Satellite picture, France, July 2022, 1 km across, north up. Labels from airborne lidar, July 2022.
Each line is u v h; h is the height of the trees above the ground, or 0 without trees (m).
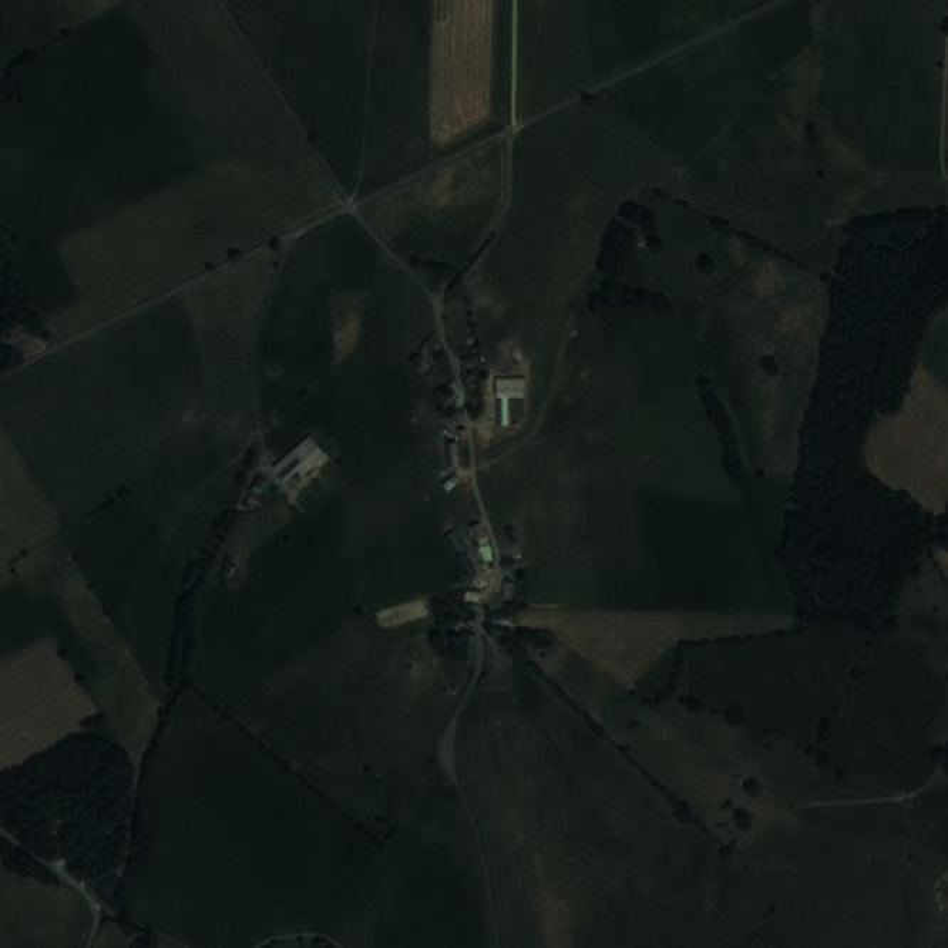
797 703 0
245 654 0
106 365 0
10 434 0
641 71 0
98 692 0
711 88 0
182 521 0
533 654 0
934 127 0
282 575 0
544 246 0
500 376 0
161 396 0
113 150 0
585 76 0
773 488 0
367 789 0
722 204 0
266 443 0
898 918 0
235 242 0
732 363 0
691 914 0
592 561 0
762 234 0
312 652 0
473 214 0
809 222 0
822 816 0
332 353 0
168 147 0
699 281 0
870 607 10
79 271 0
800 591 17
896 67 0
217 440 0
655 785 10
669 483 0
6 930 0
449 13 0
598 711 0
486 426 0
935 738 0
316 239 0
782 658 0
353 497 0
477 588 0
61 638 0
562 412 0
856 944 0
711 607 0
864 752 0
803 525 15
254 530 0
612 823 0
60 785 15
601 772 0
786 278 0
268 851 0
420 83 0
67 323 0
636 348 0
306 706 0
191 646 19
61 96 0
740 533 0
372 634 0
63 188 0
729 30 0
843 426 24
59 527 0
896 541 11
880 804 0
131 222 0
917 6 0
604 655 0
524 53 0
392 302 0
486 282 0
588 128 0
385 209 0
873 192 0
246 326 0
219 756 0
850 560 14
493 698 0
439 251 0
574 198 0
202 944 0
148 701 0
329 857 0
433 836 0
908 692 0
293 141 0
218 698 0
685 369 0
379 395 0
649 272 0
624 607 0
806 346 0
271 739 0
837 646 0
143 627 0
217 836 0
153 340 0
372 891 0
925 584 0
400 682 0
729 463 20
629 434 0
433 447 0
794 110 0
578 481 0
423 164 0
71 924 0
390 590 0
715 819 0
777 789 0
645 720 0
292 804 0
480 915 0
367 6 0
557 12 0
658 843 0
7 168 0
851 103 0
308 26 0
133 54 0
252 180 0
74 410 0
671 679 5
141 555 0
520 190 0
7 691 0
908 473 0
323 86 0
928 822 0
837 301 15
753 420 0
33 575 0
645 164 0
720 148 0
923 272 24
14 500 0
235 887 0
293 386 0
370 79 0
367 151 0
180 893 0
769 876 0
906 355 24
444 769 0
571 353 0
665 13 0
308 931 0
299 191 0
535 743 0
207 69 0
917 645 0
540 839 0
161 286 0
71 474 0
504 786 0
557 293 0
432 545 0
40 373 0
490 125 0
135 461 0
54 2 0
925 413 0
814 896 0
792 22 0
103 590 0
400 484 0
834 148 0
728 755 0
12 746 0
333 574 0
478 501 0
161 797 0
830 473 23
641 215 20
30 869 15
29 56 13
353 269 0
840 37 0
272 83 0
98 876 11
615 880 0
